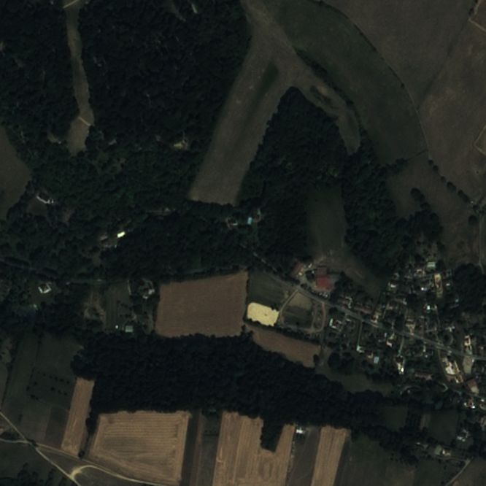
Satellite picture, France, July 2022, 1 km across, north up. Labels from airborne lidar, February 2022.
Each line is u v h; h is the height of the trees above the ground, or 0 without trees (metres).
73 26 0
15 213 16
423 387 13
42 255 24
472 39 0
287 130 29
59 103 21
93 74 26
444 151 0
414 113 0
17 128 15
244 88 0
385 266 13
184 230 18
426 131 0
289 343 0
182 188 24
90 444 0
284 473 0
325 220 0
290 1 0
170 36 30
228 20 23
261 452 0
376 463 0
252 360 8
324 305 0
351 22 0
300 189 23
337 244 0
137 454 0
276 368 27
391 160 0
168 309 0
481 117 0
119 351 28
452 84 0
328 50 0
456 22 0
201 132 29
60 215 18
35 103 18
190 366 29
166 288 0
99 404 24
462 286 17
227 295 0
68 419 0
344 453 0
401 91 0
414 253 9
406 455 18
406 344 0
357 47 0
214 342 19
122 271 18
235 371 29
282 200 10
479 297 15
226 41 22
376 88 0
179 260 27
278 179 28
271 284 0
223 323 0
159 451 0
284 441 0
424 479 0
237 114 0
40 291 0
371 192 22
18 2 30
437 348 0
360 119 8
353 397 20
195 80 26
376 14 0
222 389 32
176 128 24
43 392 0
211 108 26
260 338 0
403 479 0
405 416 0
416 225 20
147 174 17
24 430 0
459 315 16
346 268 0
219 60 25
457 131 0
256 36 0
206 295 0
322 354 0
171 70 30
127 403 20
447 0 0
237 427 0
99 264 0
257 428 0
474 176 0
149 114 23
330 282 0
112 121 23
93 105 19
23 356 0
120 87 20
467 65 0
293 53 0
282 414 24
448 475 0
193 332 0
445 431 0
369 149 15
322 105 0
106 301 0
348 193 24
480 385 6
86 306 0
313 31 0
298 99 27
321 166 20
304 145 25
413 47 0
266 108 0
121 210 17
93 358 21
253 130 0
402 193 0
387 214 21
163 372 20
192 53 29
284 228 13
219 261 11
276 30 0
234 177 0
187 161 25
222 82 26
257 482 0
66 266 21
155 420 0
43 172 12
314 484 0
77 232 19
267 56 0
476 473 0
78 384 0
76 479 0
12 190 0
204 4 26
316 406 27
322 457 0
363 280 0
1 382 0
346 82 0
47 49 29
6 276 9
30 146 16
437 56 0
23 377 0
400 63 0
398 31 0
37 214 0
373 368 16
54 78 25
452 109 0
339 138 25
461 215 0
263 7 0
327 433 0
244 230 14
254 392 31
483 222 0
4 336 0
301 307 0
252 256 12
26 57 22
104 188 11
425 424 0
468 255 0
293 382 21
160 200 23
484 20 0
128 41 30
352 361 22
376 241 25
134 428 0
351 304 0
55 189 9
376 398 28
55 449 0
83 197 13
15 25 30
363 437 0
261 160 26
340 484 0
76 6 0
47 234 22
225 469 0
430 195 0
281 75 0
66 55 29
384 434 20
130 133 22
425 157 0
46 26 27
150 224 28
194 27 28
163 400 11
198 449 0
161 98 25
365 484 0
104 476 0
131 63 28
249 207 20
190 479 0
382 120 0
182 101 28
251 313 0
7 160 0
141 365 29
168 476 0
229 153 0
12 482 10
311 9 0
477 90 0
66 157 15
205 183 0
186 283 0
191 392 16
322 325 0
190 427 0
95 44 27
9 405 0
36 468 0
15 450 0
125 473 0
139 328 9
